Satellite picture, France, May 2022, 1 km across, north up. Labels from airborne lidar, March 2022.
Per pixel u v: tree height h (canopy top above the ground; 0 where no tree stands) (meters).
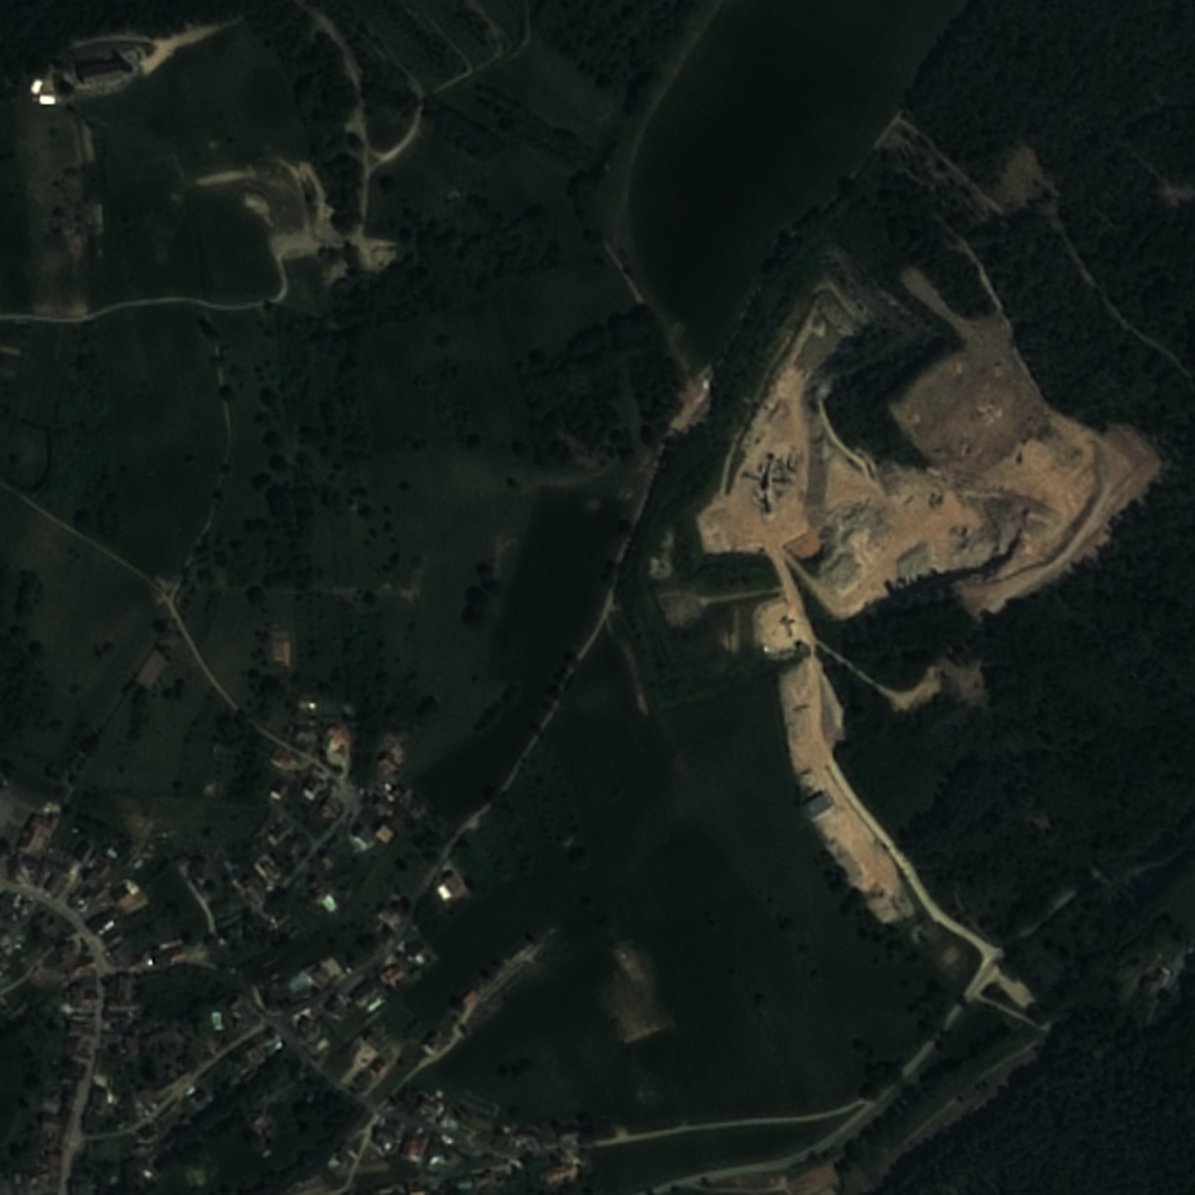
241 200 0
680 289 0
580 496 0
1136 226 25
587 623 0
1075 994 18
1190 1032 16
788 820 0
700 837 0
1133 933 19
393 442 0
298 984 0
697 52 0
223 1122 7
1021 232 19
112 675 0
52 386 0
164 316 0
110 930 0
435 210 0
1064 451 0
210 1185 0
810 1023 0
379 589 0
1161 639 20
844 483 0
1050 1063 19
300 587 12
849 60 0
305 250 0
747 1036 0
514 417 0
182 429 0
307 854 6
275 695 15
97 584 0
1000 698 22
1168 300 27
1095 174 19
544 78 0
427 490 0
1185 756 25
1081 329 21
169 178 0
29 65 20
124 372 0
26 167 0
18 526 0
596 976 0
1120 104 16
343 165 13
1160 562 24
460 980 0
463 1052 0
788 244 18
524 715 0
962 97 16
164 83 0
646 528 7
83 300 0
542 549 0
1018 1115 22
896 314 0
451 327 0
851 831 0
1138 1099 24
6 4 28
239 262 0
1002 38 20
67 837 0
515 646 0
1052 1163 20
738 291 0
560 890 0
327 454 12
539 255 11
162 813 0
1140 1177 23
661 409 15
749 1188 0
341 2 8
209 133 0
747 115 0
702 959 0
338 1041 0
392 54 0
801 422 0
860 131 0
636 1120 0
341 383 6
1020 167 0
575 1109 0
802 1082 0
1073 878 8
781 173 0
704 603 0
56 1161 0
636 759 0
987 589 0
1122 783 21
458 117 14
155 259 0
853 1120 0
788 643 0
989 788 30
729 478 0
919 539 0
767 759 0
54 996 0
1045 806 13
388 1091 0
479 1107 0
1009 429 0
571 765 0
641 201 0
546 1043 0
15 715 9
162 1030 6
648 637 0
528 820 0
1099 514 0
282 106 0
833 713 0
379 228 0
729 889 0
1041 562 0
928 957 0
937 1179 16
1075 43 22
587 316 0
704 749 0
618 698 0
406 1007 0
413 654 0
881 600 0
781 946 0
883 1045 0
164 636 13
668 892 0
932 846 24
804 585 0
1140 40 25
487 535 0
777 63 0
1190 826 20
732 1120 0
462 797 0
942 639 21
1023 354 20
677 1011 0
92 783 0
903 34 0
